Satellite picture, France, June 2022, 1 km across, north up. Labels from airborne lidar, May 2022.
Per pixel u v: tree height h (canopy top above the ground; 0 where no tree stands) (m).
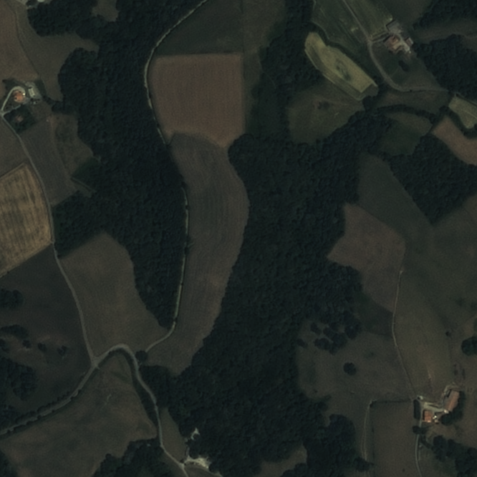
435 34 0
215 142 0
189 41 0
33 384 16
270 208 19
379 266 0
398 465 0
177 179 24
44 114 0
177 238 22
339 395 0
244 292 18
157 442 16
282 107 10
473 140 0
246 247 13
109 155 23
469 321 0
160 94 0
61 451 0
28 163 0
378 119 7
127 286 0
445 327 0
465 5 18
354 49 0
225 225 0
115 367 0
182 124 0
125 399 0
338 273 20
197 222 0
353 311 13
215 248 0
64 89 14
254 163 26
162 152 23
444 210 15
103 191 11
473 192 23
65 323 0
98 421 0
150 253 14
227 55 0
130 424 0
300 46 11
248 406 20
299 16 12
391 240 0
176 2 20
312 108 0
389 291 0
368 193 0
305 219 18
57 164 0
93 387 0
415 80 0
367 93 0
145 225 23
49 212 0
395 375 0
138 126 13
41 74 0
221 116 0
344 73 0
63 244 9
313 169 26
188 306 0
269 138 12
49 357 0
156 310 22
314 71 7
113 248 0
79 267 0
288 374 9
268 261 11
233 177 0
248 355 16
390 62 0
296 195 24
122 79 24
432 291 0
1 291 9
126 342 0
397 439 0
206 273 0
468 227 0
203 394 26
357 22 0
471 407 0
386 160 10
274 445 22
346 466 23
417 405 10
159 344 0
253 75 0
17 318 0
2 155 0
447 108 6
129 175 23
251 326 18
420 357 0
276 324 24
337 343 24
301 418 13
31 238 0
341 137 18
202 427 19
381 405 0
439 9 24
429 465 0
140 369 9
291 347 13
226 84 0
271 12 0
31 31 0
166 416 0
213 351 19
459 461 14
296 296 24
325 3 0
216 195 0
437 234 0
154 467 21
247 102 0
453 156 8
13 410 15
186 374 21
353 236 0
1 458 19
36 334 0
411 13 0
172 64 0
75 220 6
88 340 0
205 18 0
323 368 0
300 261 17
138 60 24
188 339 0
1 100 0
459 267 0
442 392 0
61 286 0
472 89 11
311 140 0
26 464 0
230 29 0
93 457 0
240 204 0
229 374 22
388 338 0
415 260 0
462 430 0
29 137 0
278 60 11
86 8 21
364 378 0
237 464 24
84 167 0
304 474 19
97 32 26
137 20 33
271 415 21
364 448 0
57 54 0
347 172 18
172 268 20
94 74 20
